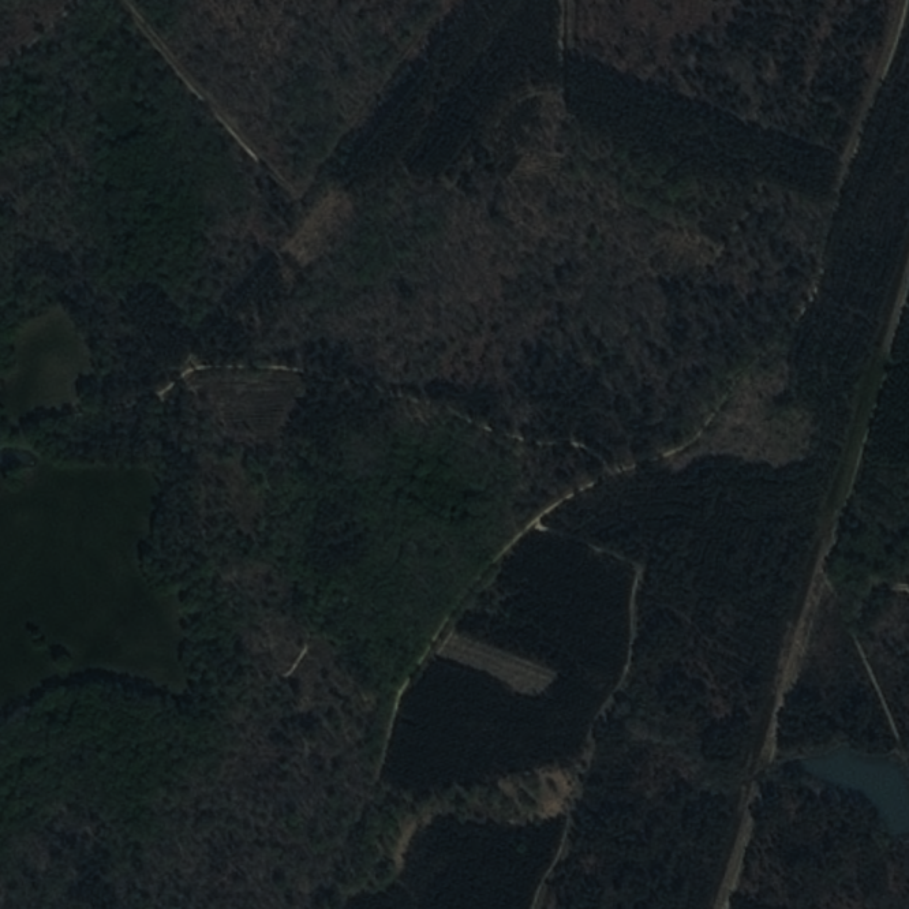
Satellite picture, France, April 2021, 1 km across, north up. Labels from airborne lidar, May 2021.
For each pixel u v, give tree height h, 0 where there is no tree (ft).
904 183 32
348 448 42
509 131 19
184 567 31
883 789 0
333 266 37
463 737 32
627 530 31
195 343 65
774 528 53
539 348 34
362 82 56
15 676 0
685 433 48
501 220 70
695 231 28
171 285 61
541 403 67
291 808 47
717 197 54
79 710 59
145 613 0
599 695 22
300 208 28
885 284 32
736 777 25
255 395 0
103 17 45
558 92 45
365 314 39
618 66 21
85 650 0
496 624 34
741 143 64
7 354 69
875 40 34
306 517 70
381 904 27
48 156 55
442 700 36
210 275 37
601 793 50
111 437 70
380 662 58
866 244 41
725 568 37
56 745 60
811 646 35
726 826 68
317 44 52
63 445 65
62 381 0
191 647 45
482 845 31
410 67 35
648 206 69
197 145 51
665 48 18
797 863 62
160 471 53
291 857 52
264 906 44
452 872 23
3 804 63
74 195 59
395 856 50
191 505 83
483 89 60
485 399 35
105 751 78
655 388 30
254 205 40
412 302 55
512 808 53
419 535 59
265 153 30
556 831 31
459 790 61
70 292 25
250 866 30
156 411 51
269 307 64
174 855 53
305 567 62
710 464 35
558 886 27
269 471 72
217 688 58
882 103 27
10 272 64
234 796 48
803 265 48
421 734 35
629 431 51
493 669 0
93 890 60
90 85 31
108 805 68
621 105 65
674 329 34
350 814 53
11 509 0
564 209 33
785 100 27
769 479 31
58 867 40
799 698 24
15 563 0
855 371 30
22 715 72
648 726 40
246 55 21
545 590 32
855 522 69
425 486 52
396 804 66
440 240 57
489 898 31
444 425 39
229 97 33
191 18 40
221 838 28
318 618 69
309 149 56
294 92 47
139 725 70
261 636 44
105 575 0
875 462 43
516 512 43
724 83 41
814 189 63
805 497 39
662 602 24
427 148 42
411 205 43
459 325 36
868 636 40
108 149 71
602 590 30
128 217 57
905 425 41
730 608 34
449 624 27
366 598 71
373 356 23
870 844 76
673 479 36
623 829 80
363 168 76
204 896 24
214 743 47
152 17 60
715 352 52
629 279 27
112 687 70
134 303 66
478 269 29
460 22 62
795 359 26
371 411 54
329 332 38
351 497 78
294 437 47
